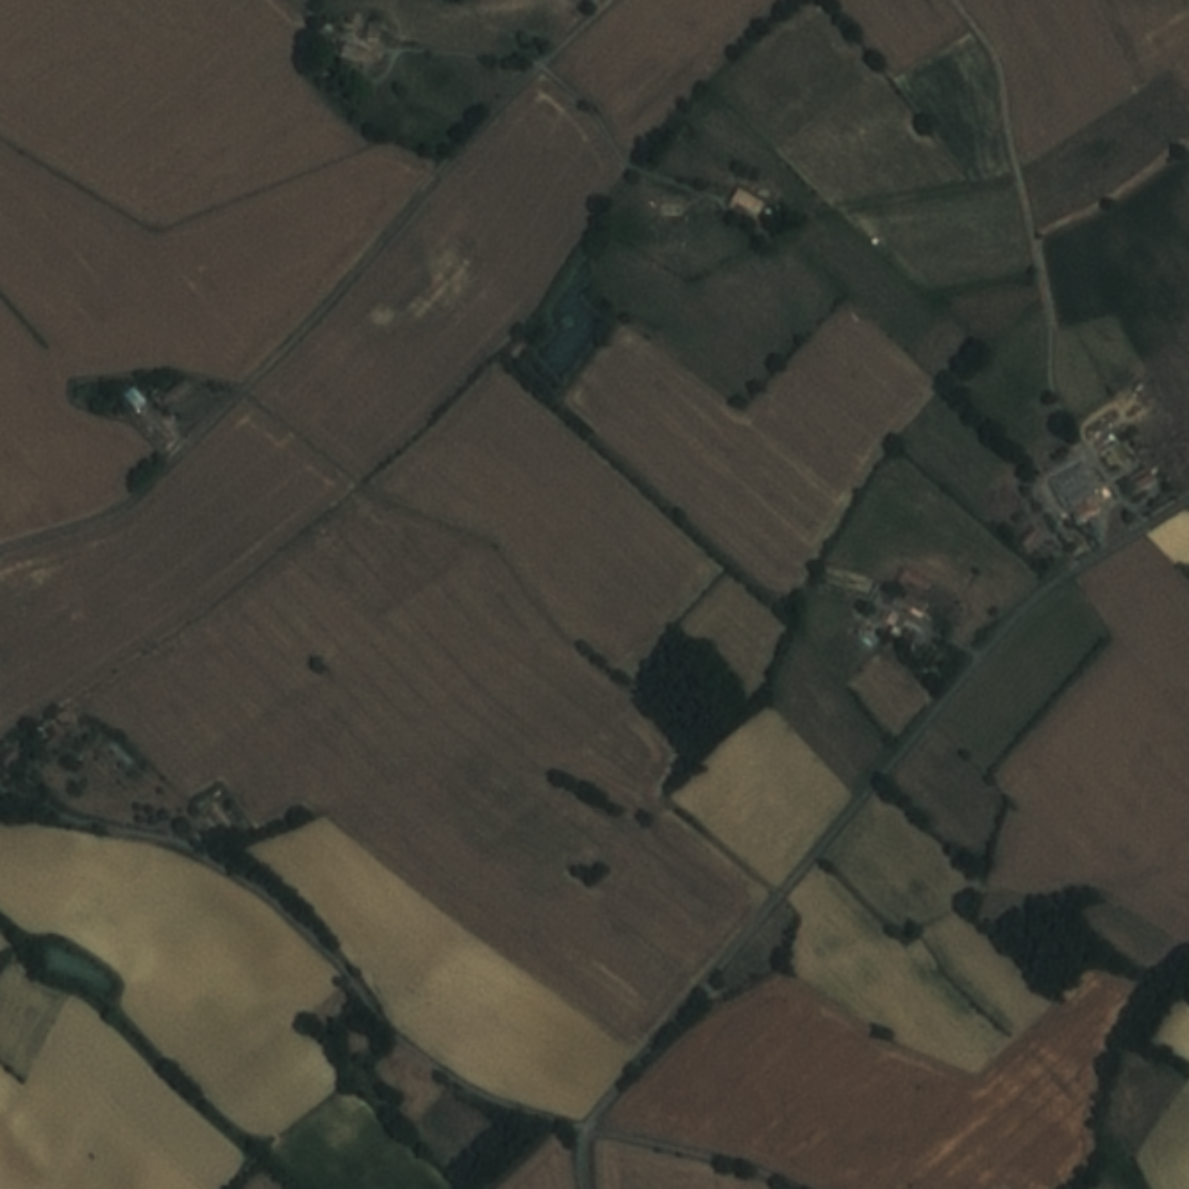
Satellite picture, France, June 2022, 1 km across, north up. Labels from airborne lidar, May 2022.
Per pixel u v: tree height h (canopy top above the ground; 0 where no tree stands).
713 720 20
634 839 0
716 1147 0
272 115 0
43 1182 0
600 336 17
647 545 0
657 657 16
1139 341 0
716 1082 0
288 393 0
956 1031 0
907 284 0
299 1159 0
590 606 0
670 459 0
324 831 0
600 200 14
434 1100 0
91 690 0
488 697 0
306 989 0
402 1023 0
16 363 0
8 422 0
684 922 0
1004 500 0
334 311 0
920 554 0
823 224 0
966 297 0
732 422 0
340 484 0
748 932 0
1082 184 0
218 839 17
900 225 0
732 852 0
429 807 0
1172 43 0
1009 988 0
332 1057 13
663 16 0
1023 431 0
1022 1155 0
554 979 0
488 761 0
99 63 0
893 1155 0
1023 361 0
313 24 17
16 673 0
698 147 0
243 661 0
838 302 5
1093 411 0
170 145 0
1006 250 0
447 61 0
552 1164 0
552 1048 0
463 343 0
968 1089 0
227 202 0
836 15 10
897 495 0
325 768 0
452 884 0
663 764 0
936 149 0
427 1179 0
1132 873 0
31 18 0
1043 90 0
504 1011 0
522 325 10
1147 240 0
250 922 0
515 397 0
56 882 0
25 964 10
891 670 0
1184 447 0
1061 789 0
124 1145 0
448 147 8
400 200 0
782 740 0
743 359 0
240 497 0
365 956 0
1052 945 20
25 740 7
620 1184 0
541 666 0
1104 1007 0
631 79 0
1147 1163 0
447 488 0
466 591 0
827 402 0
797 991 0
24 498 0
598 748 0
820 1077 0
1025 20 0
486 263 0
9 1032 0
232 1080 0
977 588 0
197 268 0
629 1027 0
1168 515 0
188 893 0
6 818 21
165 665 0
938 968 0
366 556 0
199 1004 0
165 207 0
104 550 0
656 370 0
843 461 0
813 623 0
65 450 0
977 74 0
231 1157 0
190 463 0
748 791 0
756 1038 0
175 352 0
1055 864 0
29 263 0
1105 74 0
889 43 0
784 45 0
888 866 0
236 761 0
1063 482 0
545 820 0
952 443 0
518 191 0
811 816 0
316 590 0
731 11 0
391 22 0
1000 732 0
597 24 0
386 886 0
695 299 0
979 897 17
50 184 0
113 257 0
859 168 0
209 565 0
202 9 0
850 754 0
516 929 0
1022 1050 0
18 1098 0
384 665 0
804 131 0
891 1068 0
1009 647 0
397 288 0
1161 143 0
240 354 0
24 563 0
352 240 0
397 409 0
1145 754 0
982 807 0
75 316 0
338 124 0
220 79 0
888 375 0
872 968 0
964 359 16
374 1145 0
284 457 0
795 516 0
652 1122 0
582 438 7
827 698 0
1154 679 0
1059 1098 0
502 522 0
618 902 0
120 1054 0
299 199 0
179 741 0
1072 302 0
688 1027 13
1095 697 0
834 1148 0
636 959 0
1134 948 0
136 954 0
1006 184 0
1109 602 0
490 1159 16
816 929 0
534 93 0
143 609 0
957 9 0
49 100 0
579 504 0
